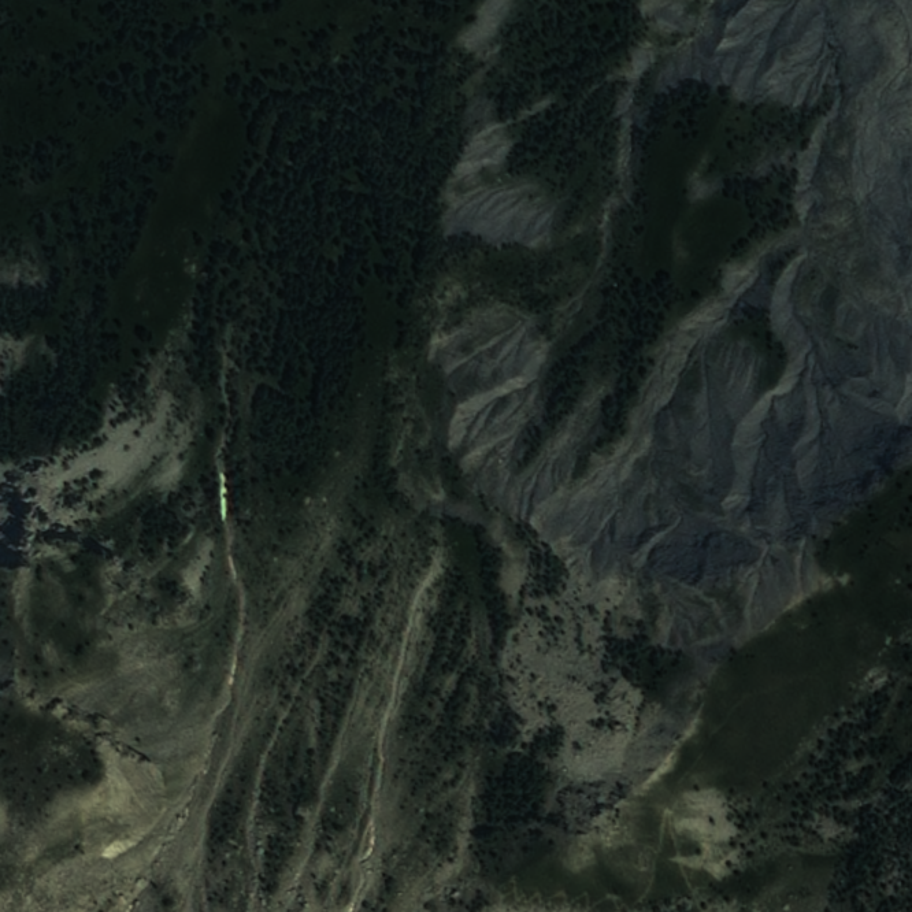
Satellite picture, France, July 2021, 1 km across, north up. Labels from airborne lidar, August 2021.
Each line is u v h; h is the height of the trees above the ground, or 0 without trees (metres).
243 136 0
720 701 0
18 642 0
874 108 0
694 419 0
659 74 0
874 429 0
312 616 8
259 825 0
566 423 0
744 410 0
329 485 0
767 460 0
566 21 20
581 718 0
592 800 0
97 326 13
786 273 0
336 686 6
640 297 17
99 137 0
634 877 0
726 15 0
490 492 0
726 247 0
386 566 8
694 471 0
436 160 23
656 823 0
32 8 0
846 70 0
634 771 0
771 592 0
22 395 7
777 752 0
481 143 0
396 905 0
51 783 0
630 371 13
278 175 25
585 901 0
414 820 0
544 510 0
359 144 16
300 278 16
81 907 0
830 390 0
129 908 0
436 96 17
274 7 15
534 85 17
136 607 0
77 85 7
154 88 18
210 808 0
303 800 14
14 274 0
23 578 0
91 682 0
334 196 24
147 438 0
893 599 0
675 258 0
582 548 0
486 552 9
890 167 0
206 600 0
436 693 8
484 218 0
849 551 0
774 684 0
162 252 0
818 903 0
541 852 0
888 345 0
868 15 0
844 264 0
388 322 0
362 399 0
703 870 0
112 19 15
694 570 0
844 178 0
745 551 0
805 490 0
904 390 0
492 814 11
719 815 0
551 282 6
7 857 0
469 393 0
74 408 8
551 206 0
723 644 0
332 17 0
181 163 0
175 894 0
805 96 0
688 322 0
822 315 0
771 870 0
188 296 0
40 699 0
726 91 12
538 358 0
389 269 10
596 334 11
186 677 0
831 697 0
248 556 0
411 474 0
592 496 0
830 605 0
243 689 0
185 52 14
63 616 0
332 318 23
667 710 0
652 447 0
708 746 0
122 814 0
